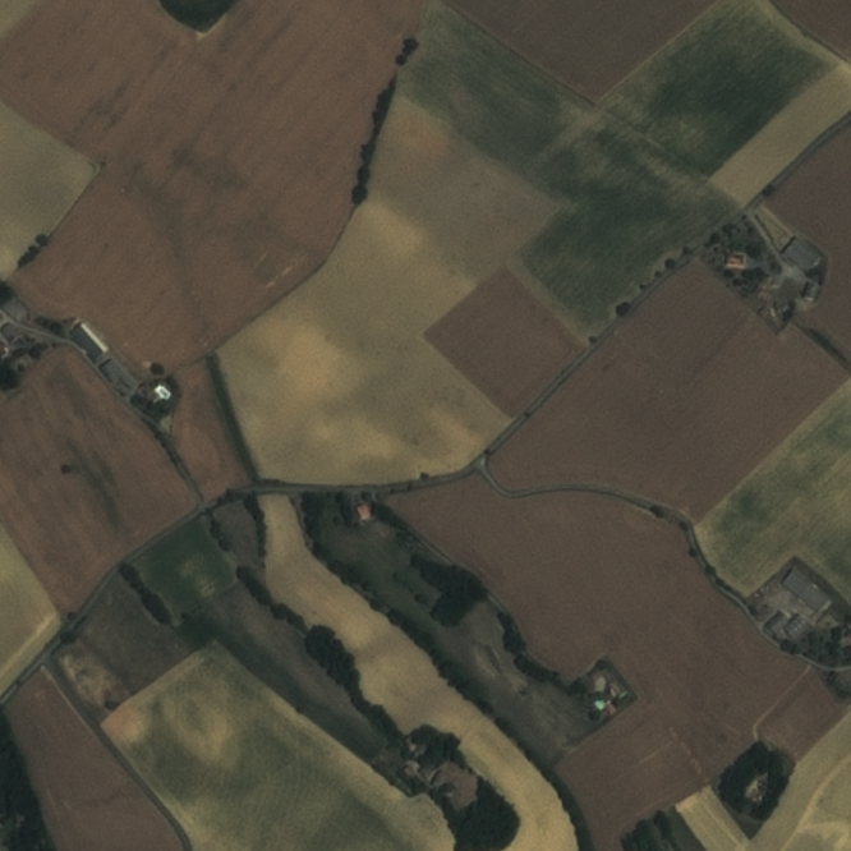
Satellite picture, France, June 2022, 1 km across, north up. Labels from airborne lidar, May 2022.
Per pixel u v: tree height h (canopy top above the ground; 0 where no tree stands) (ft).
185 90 0
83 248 0
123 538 0
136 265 0
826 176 0
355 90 0
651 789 0
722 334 0
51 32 0
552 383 0
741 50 0
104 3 0
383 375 0
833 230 0
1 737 39
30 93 0
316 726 0
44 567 0
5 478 0
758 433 0
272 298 0
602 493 0
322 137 0
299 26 0
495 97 0
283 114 0
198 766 0
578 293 0
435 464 0
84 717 0
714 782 0
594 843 0
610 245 0
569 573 0
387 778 20
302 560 0
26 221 0
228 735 0
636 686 0
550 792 0
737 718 0
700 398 0
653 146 0
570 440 0
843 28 0
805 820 0
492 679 0
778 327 0
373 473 0
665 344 0
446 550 0
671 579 0
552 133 0
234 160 0
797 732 0
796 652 42
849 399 0
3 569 0
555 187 0
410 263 0
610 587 0
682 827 0
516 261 0
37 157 0
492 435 0
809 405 0
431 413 0
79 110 0
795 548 0
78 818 0
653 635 0
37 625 0
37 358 37
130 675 0
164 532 0
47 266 0
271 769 0
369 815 0
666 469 0
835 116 0
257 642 0
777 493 0
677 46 0
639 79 0
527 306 0
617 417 0
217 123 0
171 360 0
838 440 0
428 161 0
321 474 0
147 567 0
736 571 0
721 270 20
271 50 0
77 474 0
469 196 0
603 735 0
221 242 0
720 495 0
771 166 0
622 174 0
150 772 0
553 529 0
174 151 0
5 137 0
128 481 0
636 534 0
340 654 51
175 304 0
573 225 0
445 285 0
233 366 0
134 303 0
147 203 0
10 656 0
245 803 0
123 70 0
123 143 0
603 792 0
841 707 0
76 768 0
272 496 0
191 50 0
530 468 0
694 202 0
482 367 0
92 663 0
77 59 0
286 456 0
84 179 0
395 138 0
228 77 0
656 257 0
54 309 0
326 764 0
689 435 0
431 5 0
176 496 0
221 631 0
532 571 0
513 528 0
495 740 0
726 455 0
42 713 0
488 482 0
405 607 0
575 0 0
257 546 22
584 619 0
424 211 0
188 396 0
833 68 0
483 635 0
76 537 0
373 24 0
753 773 41
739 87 0
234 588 0
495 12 0
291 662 0
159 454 0
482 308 0
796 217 0
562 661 0
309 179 0
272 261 0
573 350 0
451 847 0
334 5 0
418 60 0
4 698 0
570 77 0
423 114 0
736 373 0
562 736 0
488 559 0
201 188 0
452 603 66
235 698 0
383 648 0
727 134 0
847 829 0
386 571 0
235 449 0
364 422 0
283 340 0
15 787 66
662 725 0
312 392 0
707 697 0
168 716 0
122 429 0
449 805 29
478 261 0
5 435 0
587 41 0
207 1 0
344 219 0
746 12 0
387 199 0
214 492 0
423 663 0
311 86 0
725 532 0
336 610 0
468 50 0
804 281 0
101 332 0
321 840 0
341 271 0
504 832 44
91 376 0
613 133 0
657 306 0
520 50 0
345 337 0
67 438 0
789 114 0
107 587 0
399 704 0
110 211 0
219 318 0
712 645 0
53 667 0
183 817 0
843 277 0
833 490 0
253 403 0
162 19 0
